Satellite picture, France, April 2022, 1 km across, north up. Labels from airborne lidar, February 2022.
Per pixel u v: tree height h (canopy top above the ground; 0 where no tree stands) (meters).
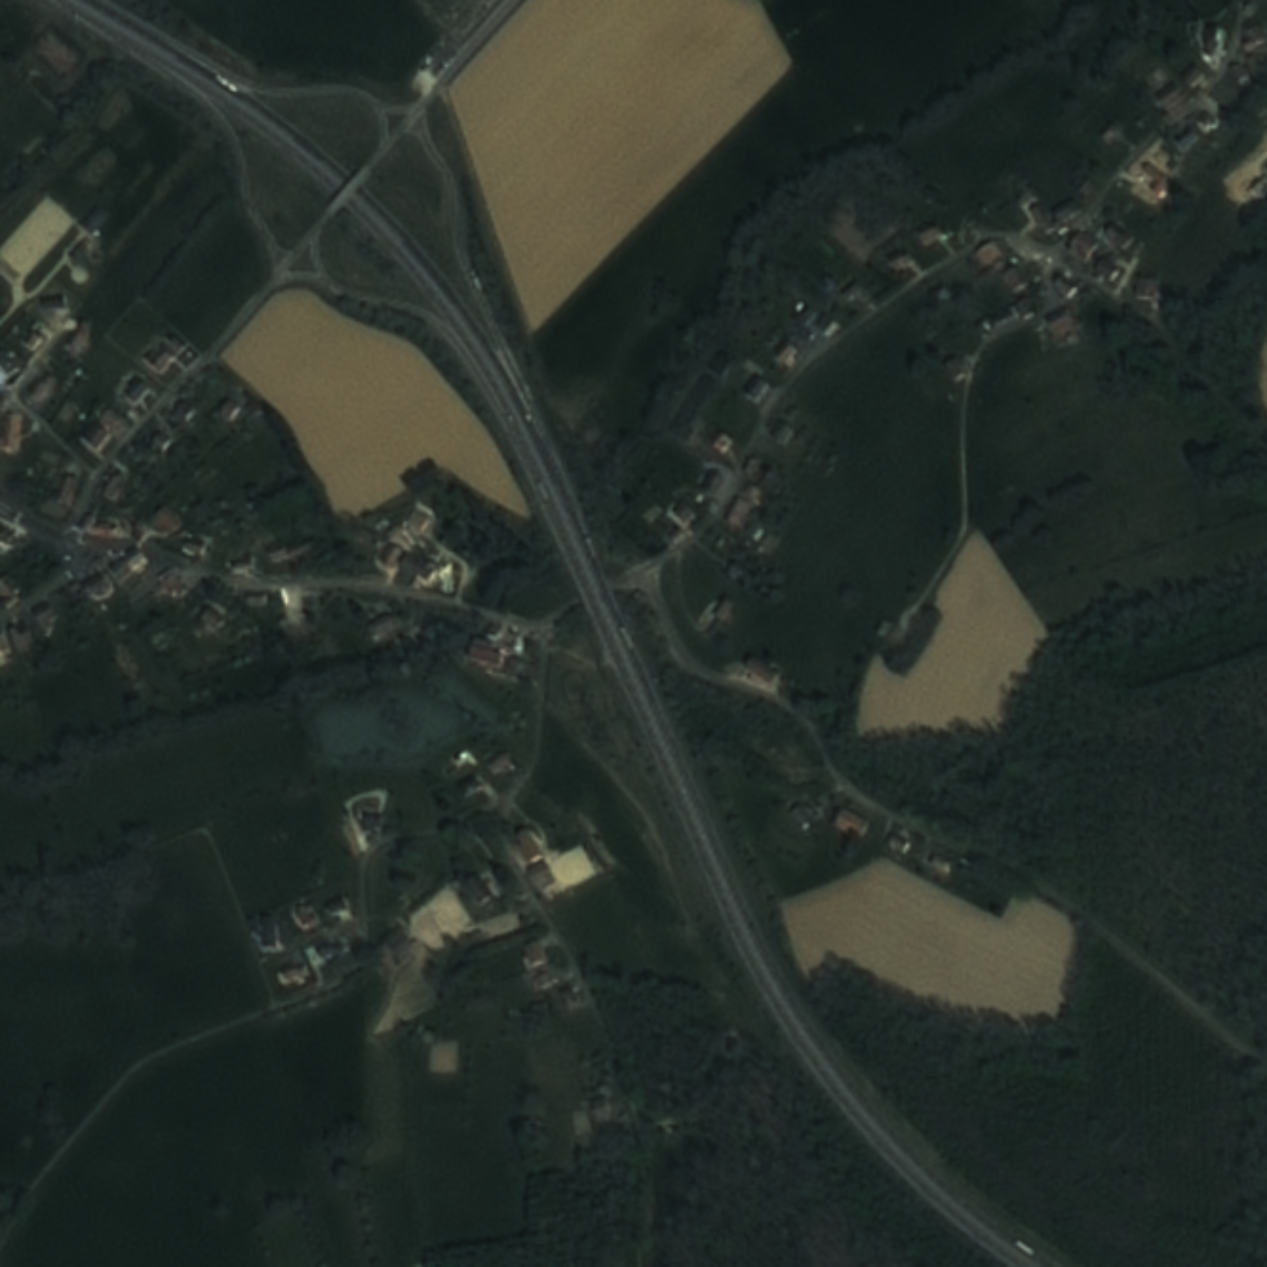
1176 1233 10
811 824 7
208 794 0
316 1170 0
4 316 0
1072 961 0
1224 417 22
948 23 0
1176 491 0
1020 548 0
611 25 0
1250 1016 26
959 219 0
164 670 7
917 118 16
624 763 0
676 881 0
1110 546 0
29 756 0
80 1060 0
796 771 0
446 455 0
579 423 0
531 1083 0
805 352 0
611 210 0
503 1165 0
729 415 0
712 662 0
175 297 0
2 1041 0
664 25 0
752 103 0
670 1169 0
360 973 7
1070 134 0
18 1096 0
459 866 14
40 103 0
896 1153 0
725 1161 26
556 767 0
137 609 0
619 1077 12
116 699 0
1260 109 14
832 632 0
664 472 0
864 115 0
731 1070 20
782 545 0
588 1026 0
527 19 0
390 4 0
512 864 0
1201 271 0
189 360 0
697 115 0
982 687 0
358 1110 0
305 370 0
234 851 0
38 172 0
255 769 0
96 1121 0
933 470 0
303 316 0
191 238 13
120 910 19
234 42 0
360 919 0
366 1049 0
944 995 0
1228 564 0
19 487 16
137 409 0
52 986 0
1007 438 0
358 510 0
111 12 0
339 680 20
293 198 0
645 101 0
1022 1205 11
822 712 20
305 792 0
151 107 0
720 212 0
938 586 0
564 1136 0
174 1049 0
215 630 0
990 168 0
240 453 0
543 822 0
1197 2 0
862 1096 0
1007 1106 18
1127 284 0
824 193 18
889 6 0
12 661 0
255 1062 0
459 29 0
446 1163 0
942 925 0
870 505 0
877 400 0
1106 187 0
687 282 0
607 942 0
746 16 0
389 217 0
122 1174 0
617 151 0
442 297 0
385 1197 0
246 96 0
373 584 0
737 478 0
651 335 0
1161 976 0
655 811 0
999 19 0
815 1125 8
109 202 0
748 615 0
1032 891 20
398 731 12
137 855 16
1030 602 0
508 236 0
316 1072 0
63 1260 0
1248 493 15
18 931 19
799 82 0
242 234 0
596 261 0
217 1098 0
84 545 0
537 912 0
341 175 0
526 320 0
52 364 0
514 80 0
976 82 21
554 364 0
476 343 0
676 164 0
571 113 0
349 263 0
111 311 0
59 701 0
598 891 0
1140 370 20
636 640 0
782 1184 23
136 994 0
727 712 7
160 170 0
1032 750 20
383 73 0
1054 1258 0
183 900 0
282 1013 6
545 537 9
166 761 0
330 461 0
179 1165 0
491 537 16
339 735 0
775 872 0
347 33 0
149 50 0
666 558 0
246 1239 0
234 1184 0
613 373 0
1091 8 21
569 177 0
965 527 0
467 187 0
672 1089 17
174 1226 0
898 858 0
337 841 0
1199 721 16
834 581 0
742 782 0
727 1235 21
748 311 16
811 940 0
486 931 0
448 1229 0
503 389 0
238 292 0
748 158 0
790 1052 0
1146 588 0
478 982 13
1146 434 0
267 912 0
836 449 6
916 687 0
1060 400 0
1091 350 0
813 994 7
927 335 0
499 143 0
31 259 0
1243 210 0
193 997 0
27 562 7
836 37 0
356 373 0
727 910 0
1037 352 0
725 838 0
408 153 0
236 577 0
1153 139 0
